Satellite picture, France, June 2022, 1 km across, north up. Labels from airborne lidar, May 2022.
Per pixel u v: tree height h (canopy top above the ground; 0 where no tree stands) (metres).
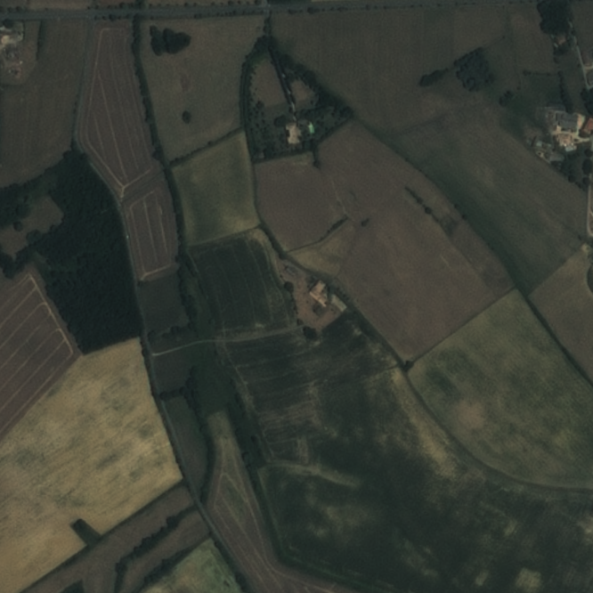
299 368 0
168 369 0
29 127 0
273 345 0
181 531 0
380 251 0
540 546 0
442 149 0
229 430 0
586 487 0
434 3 0
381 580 0
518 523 0
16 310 0
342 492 0
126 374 0
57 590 0
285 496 0
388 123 0
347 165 0
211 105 0
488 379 0
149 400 0
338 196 0
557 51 9
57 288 21
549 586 0
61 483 0
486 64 15
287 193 0
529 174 0
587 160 10
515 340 0
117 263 13
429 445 0
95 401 0
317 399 0
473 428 0
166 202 0
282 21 0
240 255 0
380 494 0
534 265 0
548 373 0
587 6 0
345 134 0
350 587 0
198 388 22
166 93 0
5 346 0
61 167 8
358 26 0
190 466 0
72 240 16
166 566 9
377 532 0
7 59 0
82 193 14
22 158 0
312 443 0
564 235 0
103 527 0
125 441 0
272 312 0
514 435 0
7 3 0
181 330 18
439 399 0
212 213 0
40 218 0
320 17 0
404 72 0
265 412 0
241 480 0
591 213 0
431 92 0
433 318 0
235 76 0
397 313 0
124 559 9
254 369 0
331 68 0
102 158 0
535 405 0
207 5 0
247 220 0
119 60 0
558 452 0
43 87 0
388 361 0
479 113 0
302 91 0
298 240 0
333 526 0
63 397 0
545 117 0
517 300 0
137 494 0
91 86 0
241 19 0
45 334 0
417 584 0
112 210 7
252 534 0
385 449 0
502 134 0
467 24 0
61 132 0
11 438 0
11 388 0
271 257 0
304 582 0
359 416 0
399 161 0
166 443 0
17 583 0
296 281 0
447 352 0
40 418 0
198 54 0
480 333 0
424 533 0
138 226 0
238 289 0
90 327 17
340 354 0
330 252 0
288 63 15
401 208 0
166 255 0
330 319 0
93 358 0
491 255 0
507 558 0
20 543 0
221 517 0
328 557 0
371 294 0
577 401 0
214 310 0
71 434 0
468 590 0
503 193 0
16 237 0
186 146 0
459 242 0
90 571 0
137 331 13
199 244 0
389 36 0
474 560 0
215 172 0
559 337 0
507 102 10
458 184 0
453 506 0
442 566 0
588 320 0
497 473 0
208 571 0
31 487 0
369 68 0
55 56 0
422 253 0
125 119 0
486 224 0
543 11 19
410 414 0
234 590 0
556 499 0
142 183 0
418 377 0
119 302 11
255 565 0
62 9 0
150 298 0
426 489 0
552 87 0
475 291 0
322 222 0
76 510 0
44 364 0
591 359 0
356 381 0
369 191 0
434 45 0
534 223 0
